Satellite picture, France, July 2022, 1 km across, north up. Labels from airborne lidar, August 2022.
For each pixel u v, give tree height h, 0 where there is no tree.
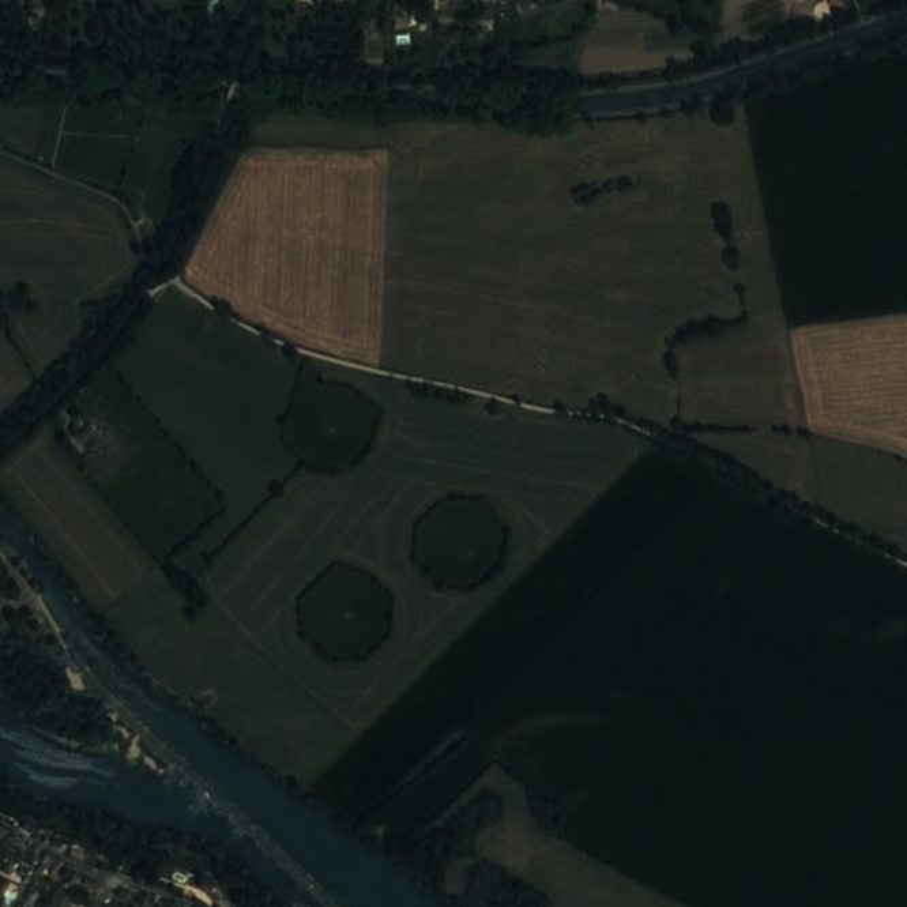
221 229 0
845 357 0
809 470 0
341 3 5
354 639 0
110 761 0
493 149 0
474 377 0
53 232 0
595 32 0
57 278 0
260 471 0
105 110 0
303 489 0
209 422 0
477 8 8
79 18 8
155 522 0
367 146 0
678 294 0
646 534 0
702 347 0
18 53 19
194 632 0
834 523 17
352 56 19
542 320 0
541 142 0
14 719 0
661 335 0
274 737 0
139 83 30
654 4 0
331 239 0
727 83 0
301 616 10
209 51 9
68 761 0
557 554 0
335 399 0
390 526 0
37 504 0
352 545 0
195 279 0
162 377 0
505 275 0
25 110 0
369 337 0
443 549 0
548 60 0
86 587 0
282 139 0
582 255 0
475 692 0
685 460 14
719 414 0
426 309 0
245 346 0
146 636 0
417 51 11
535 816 11
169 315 0
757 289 0
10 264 0
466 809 13
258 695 0
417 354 0
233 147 11
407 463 0
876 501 0
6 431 20
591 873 0
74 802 0
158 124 0
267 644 0
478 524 0
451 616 0
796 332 0
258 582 0
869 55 19
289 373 0
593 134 0
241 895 24
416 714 0
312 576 0
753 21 0
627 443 0
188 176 11
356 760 0
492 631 0
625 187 15
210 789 0
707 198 0
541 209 0
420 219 0
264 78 34
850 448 0
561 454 0
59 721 7
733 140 0
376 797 0
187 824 0
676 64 16
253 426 0
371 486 0
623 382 0
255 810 0
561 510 0
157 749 0
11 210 0
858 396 0
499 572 13
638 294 0
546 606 0
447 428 0
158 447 0
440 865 24
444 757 9
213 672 0
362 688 0
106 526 0
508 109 27
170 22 17
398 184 0
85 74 35
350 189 0
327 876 0
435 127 0
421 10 12
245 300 0
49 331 0
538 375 0
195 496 0
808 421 0
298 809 0
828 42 0
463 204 0
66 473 0
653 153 0
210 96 32
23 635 16
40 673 18
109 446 0
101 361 16
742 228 0
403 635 0
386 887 0
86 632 0
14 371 0
